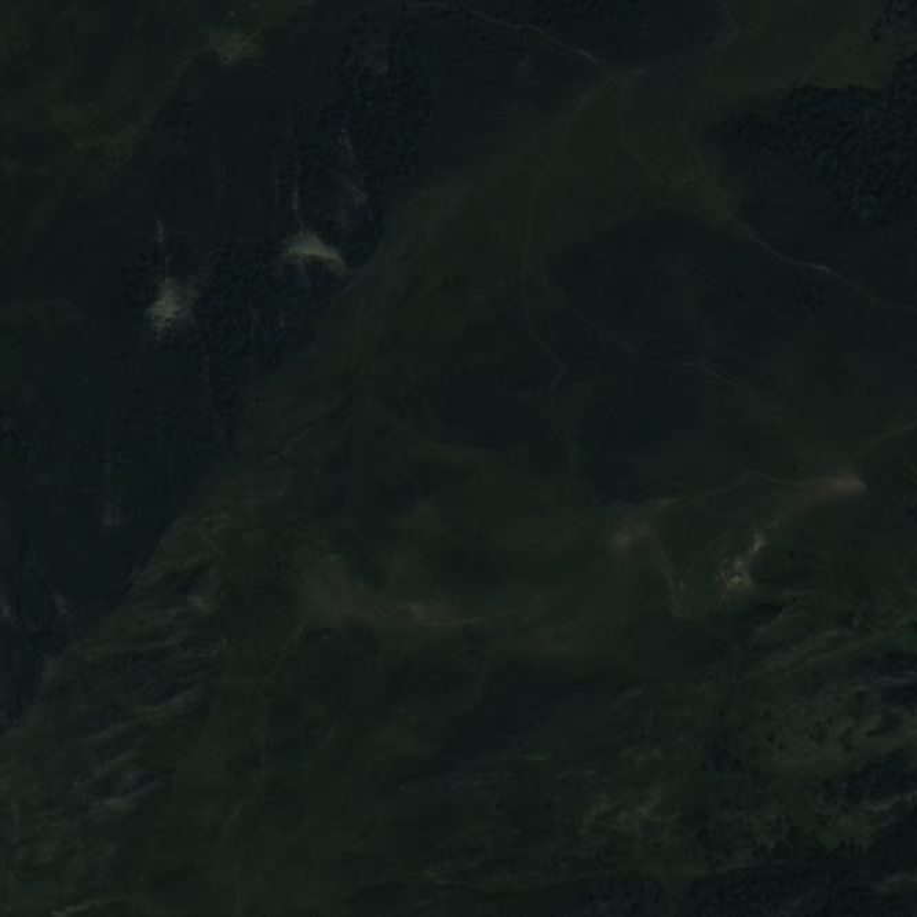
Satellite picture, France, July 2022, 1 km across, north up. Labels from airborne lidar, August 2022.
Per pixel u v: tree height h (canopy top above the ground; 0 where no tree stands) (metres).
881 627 36
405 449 0
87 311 0
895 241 0
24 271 0
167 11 0
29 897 0
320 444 0
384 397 0
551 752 0
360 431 0
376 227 8
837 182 12
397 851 0
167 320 0
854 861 6
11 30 0
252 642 0
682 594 0
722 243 0
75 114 0
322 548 0
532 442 0
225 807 0
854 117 20
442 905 0
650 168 0
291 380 0
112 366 0
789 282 0
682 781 0
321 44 0
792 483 0
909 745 0
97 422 0
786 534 0
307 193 9
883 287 0
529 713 0
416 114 9
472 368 0
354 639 0
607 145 0
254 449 0
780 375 0
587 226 0
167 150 0
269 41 0
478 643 0
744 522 0
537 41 0
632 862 0
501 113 0
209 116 0
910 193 12
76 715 0
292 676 0
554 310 0
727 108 0
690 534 0
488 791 0
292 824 0
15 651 0
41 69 0
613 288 0
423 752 0
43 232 0
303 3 0
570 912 0
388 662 0
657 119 0
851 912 18
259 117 0
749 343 0
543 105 0
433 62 0
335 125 11
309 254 0
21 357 0
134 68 0
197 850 0
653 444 0
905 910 14
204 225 0
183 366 0
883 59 0
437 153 0
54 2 0
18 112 0
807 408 0
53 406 0
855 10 0
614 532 0
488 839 0
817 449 0
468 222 0
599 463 0
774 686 0
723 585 0
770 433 0
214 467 0
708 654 0
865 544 0
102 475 0
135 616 0
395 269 0
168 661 0
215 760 0
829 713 0
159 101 0
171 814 0
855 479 0
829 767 0
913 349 0
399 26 0
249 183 0
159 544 0
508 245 0
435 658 0
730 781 0
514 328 0
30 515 0
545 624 0
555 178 0
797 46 0
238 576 0
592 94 0
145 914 0
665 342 0
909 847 6
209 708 0
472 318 0
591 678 0
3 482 0
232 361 6
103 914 0
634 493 0
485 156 0
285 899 0
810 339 0
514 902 0
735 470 0
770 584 0
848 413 0
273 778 0
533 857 0
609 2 0
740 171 0
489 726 0
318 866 0
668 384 0
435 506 0
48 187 0
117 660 0
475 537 0
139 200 0
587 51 0
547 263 0
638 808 0
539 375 0
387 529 0
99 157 0
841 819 0
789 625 0
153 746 0
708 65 0
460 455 0
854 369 0
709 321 0
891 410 0
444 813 0
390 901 0
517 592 0
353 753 0
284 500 0
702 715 0
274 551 0
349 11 0
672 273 0
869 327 0
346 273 0
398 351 0
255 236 0
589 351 0
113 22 0
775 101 0
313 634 0
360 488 0
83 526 0
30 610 0
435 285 0
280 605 0
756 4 0
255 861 0
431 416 0
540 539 0
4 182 0
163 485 0
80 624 0
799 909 8
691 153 0
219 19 0
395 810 0
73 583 0
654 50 0
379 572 0
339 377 0
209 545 0
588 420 0
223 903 0
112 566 0
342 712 0
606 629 0
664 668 0
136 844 0
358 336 0
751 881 7
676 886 0
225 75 0
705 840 11
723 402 0
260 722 0
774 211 0
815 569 0
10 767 0
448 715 0
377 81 9
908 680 8
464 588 0
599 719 0
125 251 0
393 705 0
